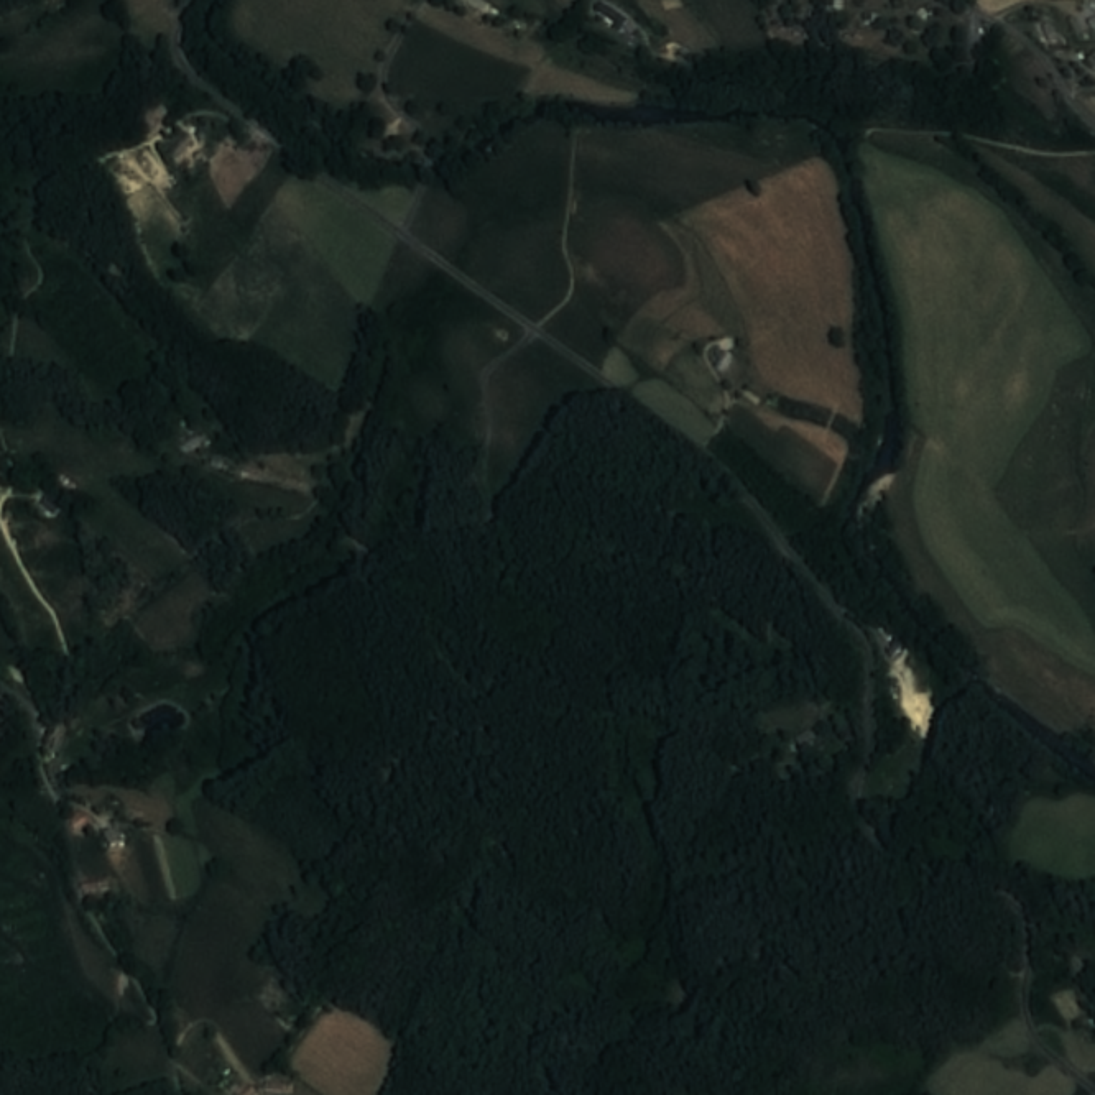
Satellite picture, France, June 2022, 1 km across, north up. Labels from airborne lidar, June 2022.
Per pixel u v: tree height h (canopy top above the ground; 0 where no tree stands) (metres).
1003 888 19
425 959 23
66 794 10
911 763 0
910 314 0
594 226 0
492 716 26
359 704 26
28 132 24
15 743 15
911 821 23
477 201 0
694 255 0
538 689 26
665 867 12
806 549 12
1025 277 0
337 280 0
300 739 21
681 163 0
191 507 15
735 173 0
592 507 25
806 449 0
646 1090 23
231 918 0
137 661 15
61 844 9
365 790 24
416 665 23
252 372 23
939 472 0
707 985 23
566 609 28
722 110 17
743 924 16
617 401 30
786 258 0
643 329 0
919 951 31
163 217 0
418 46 0
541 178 0
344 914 15
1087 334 0
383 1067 0
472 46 0
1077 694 0
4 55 18
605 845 26
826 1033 27
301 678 29
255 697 23
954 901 22
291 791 6
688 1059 33
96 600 17
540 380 0
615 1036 26
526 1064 35
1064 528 0
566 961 22
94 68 0
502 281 0
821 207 0
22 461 7
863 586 12
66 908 0
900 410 10
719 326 0
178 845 0
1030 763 18
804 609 20
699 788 33
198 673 0
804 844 28
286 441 17
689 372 0
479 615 24
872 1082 0
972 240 0
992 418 0
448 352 0
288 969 16
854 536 12
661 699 32
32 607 0
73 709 19
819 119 15
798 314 0
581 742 24
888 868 22
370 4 0
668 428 26
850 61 15
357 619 24
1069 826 0
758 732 15
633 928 9
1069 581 0
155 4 0
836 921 33
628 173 0
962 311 0
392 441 26
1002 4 0
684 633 29
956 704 18
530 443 0
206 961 0
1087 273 15
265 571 7
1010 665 0
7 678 17
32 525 0
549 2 0
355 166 20
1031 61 0
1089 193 0
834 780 25
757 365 0
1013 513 0
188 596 0
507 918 28
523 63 0
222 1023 0
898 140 0
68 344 6
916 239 0
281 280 0
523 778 24
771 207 0
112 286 25
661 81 12
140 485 11
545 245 0
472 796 27
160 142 8
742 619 25
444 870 24
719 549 25
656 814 33
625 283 0
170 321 22
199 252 0
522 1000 36
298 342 0
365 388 34
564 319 0
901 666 0
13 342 0
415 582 23
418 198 0
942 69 16
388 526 8
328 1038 0
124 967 12
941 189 0
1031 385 0
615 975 22
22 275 20
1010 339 0
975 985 23
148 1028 8
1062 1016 0
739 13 0
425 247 0
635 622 24
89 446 0
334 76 0
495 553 25
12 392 21
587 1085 24
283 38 0
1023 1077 0
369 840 15
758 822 26
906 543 0
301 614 26
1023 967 15
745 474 9
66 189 19
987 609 0
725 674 23
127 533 0
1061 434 0
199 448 9
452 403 0
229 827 0
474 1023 35
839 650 16
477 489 24
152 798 0
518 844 25
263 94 20
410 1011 19
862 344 7
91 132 21
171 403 11
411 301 0
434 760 26
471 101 0
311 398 23
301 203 0
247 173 0
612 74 0
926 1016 26
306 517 0
